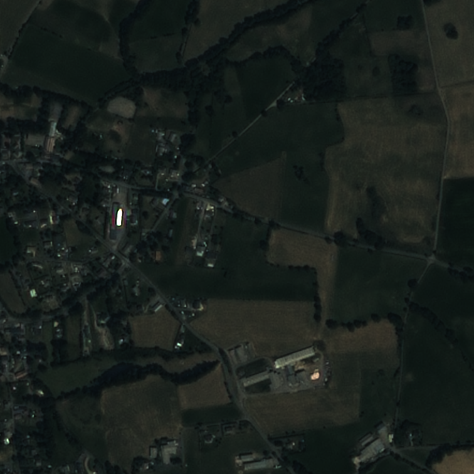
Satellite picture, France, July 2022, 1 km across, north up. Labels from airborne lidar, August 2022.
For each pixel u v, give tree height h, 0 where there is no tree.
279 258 0
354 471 0
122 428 0
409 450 0
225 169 0
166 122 0
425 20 0
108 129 0
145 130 0
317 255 0
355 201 0
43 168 13
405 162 0
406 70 15
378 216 0
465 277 19
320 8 0
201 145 0
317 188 0
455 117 0
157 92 0
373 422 0
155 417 0
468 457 0
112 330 19
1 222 0
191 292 0
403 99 0
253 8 0
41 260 0
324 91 18
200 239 0
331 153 0
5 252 0
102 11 0
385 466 0
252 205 0
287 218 0
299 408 0
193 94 21
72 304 14
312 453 0
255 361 0
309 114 0
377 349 0
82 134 17
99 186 13
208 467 0
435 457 21
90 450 0
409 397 0
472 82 0
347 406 0
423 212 0
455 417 0
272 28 0
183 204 0
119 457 0
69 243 0
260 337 0
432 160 0
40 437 16
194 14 16
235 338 0
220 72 17
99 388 14
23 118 0
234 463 0
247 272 0
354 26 0
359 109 0
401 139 0
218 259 0
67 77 0
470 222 0
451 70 0
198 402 0
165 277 0
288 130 0
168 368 0
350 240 0
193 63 17
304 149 0
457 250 0
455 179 0
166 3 0
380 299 0
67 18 0
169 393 0
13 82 0
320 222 0
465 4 0
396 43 0
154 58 0
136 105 8
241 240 0
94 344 0
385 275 0
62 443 0
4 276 0
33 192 7
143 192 16
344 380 0
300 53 0
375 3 0
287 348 0
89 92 0
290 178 0
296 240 0
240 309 0
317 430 0
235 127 0
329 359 0
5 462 0
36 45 0
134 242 0
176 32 0
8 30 0
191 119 16
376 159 0
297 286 0
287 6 12
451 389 0
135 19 17
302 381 0
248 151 0
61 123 7
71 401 0
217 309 0
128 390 0
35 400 19
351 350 0
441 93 0
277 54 21
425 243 0
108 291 14
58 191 0
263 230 0
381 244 13
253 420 0
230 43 8
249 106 0
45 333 0
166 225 0
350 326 18
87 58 0
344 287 0
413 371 0
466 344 0
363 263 0
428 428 0
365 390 0
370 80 0
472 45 0
